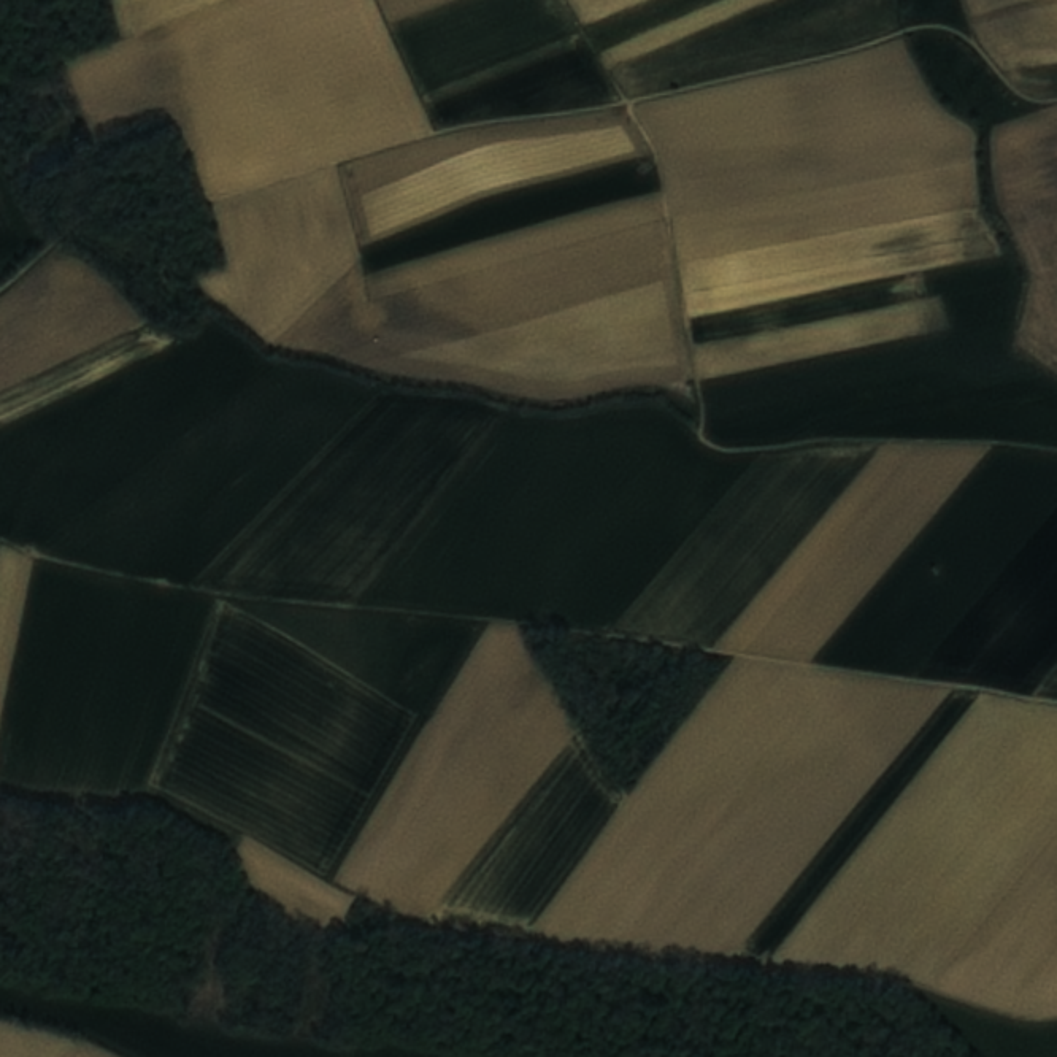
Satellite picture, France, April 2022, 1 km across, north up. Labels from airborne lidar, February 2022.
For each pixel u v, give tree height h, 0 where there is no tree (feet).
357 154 0
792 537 0
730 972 73
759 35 0
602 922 0
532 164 0
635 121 0
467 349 0
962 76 0
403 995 96
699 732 0
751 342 0
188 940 80
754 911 0
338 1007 67
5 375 0
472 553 0
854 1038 91
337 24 0
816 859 0
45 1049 0
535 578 0
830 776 0
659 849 0
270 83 0
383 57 0
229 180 0
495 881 0
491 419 0
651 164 0
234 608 0
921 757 0
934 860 0
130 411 0
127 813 75
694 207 0
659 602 0
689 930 0
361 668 0
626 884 0
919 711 0
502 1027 95
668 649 34
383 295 0
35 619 0
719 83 0
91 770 0
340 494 0
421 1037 77
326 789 0
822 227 0
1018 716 0
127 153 96
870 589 0
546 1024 93
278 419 0
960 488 0
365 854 0
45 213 80
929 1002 43
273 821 0
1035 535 0
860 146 0
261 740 0
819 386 0
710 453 0
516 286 0
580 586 0
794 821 0
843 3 0
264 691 0
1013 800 0
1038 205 0
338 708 0
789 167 0
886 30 0
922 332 0
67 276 0
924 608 0
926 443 0
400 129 0
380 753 0
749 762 0
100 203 93
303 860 0
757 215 0
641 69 0
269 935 76
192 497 0
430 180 0
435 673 0
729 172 0
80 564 0
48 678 0
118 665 0
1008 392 0
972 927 0
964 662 0
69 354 0
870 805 0
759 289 0
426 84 0
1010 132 0
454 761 0
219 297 0
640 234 0
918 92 0
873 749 0
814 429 0
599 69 0
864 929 0
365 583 0
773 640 0
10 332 0
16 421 0
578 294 0
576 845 0
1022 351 0
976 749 0
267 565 0
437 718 0
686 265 0
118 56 0
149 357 0
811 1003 83
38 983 50
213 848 82
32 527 0
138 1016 0
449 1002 102
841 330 0
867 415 0
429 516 0
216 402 0
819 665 0
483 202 0
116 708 0
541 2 0
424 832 0
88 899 95
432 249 0
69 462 0
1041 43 0
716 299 0
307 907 0
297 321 0
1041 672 0
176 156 90
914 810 0
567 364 0
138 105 0
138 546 0
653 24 0
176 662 0
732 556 0
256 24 0
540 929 0
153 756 0
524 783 0
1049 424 0
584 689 90
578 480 0
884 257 0
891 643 0
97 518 0
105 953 84
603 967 73
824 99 0
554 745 0
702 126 0
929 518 0
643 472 0
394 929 74
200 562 0
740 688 0
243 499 0
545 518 0
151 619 0
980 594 0
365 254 0
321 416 0
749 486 0
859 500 0
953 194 0
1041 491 0
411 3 0
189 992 73
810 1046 81
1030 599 0
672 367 0
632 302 0
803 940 0
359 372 42
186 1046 0
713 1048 74
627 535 0
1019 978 0
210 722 0
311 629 0
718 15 0
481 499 0
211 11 0
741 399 0
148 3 0
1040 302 0
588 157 0
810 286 0
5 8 83
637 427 0
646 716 57
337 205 0
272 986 90
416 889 0
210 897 75
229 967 96
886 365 0
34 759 0
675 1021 103
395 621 0
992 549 0
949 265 0
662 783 0
